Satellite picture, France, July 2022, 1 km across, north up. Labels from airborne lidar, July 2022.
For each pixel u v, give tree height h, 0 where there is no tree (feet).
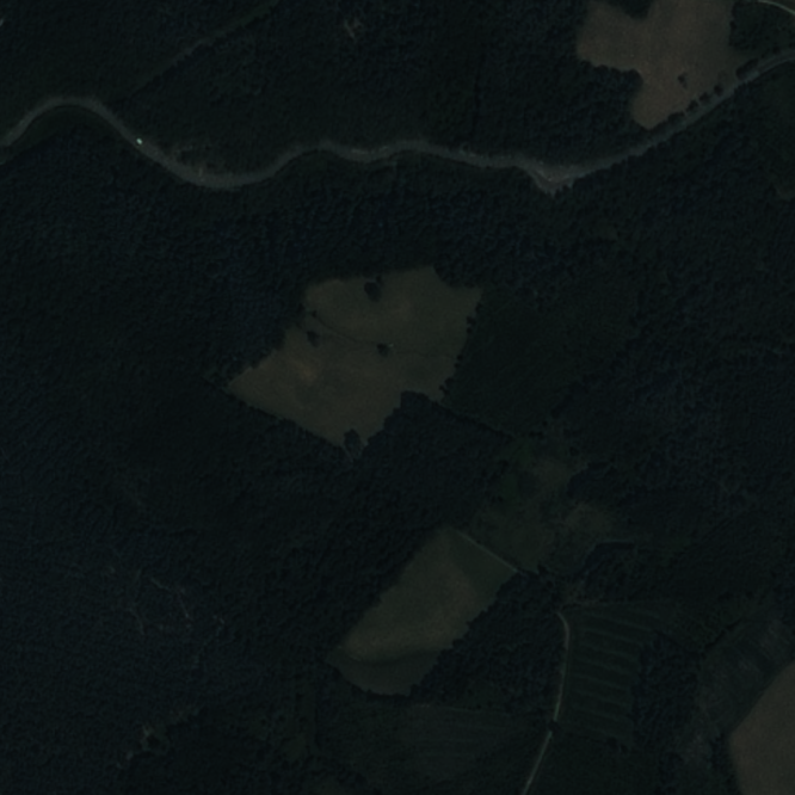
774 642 0
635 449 66
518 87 49
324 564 58
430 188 29
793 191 0
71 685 54
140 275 78
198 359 53
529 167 0
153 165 27
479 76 57
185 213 85
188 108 57
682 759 55
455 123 23
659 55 0
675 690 62
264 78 28
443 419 69
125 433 60
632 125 33
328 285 0
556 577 18
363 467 64
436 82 24
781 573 35
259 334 95
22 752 65
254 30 46
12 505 61
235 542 60
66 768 65
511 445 49
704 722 0
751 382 44
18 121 51
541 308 66
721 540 26
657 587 29
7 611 66
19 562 65
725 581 25
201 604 61
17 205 73
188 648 65
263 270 92
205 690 77
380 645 0
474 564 0
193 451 63
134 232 89
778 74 30
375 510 45
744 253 69
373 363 0
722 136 34
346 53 31
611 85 48
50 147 67
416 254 67
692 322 35
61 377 58
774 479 61
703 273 66
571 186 33
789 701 0
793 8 0
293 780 36
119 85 48
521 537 0
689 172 38
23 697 57
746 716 0
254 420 54
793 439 45
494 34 51
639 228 36
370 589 41
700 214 74
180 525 79
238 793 66
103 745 70
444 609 0
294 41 73
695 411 114
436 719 0
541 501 0
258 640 72
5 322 45
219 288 76
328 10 70
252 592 29
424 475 71
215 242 74
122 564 55
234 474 62
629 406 69
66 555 65
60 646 56
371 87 56
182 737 68
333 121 55
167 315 71
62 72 62
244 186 51
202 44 0
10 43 51
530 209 37
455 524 54
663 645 64
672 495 62
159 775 63
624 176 69
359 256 56
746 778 0
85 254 43
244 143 48
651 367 22
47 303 72
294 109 63
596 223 51
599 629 0
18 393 64
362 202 88
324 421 0
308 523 66
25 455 73
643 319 78
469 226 90
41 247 32
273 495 62
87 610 55
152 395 66
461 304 0
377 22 47
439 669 37
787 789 0
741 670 0
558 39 89
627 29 0
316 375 0
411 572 0
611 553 49
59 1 58
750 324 58
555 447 0
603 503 48
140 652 58
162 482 63
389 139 39
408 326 0
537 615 26
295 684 19
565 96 57
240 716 25
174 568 71
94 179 92
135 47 62
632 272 41
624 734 0
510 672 40
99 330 61
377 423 0
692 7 0
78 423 65
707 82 0
